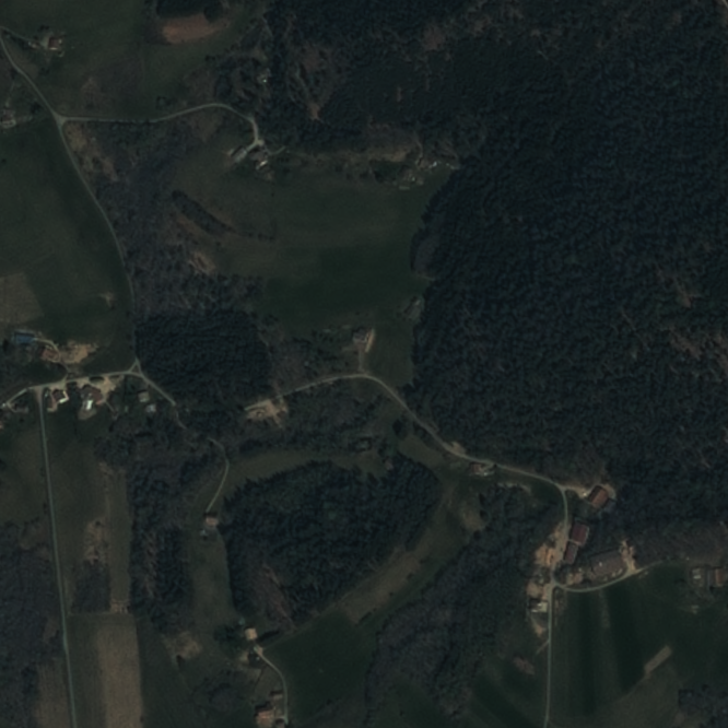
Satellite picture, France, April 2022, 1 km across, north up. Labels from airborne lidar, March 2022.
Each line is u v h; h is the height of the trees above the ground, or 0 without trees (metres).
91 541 0
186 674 0
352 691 0
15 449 0
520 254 15
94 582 11
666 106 20
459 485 0
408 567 0
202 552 0
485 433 25
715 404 27
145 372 14
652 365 25
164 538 17
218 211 0
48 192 0
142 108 0
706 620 0
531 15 10
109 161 0
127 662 0
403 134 28
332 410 16
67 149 0
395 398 0
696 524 27
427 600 21
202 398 16
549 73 18
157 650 0
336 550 18
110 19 0
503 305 12
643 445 22
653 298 11
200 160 0
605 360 26
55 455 0
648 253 19
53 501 0
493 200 16
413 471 27
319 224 0
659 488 27
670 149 18
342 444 16
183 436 22
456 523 0
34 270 0
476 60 13
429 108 9
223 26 0
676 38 8
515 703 0
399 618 17
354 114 9
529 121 9
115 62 0
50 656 9
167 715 0
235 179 0
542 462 18
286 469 0
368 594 0
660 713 0
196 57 0
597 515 0
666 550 30
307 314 0
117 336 0
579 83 11
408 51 8
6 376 19
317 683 0
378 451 0
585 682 0
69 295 0
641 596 0
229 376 20
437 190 0
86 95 0
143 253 13
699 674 0
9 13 0
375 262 0
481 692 0
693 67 20
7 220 0
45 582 14
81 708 0
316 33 12
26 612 12
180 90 0
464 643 13
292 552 23
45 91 0
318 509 13
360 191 0
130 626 0
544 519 16
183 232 14
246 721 0
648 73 16
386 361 0
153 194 17
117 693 0
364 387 0
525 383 29
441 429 11
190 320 16
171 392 17
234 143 0
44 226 0
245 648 0
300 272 0
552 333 31
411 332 0
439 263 16
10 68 0
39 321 0
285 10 19
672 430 24
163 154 15
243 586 26
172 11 19
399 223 0
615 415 27
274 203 0
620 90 22
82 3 0
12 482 0
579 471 30
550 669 0
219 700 22
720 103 12
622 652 0
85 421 0
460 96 10
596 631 0
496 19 8
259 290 9
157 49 0
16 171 0
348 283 0
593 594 0
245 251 0
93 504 0
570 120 15
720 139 18
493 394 24
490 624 17
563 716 0
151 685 0
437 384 16
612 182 24
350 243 0
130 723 0
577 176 26
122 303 0
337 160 0
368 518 24
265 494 14
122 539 0
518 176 14
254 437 10
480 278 12
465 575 23
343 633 0
